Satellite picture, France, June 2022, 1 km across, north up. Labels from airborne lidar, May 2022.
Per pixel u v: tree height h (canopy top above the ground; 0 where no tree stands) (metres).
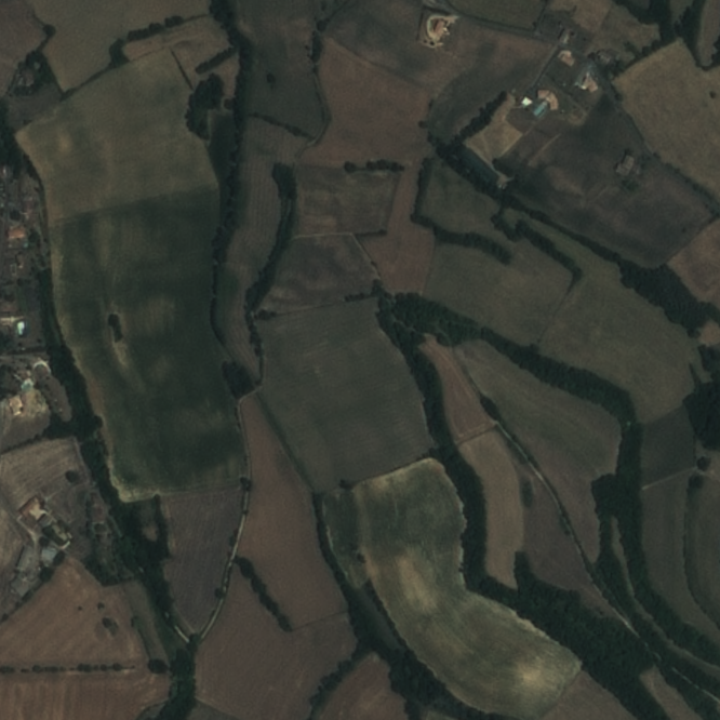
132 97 0
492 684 0
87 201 0
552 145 0
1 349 13
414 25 0
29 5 0
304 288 0
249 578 11
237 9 0
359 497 0
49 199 0
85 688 0
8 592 0
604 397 15
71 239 0
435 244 0
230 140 0
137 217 0
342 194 0
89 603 0
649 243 0
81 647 0
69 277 0
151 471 0
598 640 10
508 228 19
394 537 0
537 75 0
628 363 0
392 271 0
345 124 0
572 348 0
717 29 0
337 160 0
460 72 0
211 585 0
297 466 0
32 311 0
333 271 0
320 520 7
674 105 0
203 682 0
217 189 0
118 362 0
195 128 17
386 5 0
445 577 0
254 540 0
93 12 0
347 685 0
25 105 0
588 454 0
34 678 0
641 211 0
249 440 0
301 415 0
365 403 0
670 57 0
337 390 0
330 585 0
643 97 0
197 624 0
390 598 0
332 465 0
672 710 0
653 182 0
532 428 0
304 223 0
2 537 0
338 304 0
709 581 0
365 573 0
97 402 0
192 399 0
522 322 0
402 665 13
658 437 0
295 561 0
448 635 0
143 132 0
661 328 0
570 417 0
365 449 0
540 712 0
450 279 0
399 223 0
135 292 0
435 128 0
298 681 0
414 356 14
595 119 0
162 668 16
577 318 0
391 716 0
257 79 0
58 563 10
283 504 0
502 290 0
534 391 0
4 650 0
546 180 0
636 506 17
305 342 0
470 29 0
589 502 0
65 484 0
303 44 0
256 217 0
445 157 13
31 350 6
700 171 0
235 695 0
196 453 0
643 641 7
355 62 0
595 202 0
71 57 0
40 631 0
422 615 0
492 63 0
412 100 0
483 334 9
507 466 0
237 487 0
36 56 13
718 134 0
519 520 0
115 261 0
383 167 15
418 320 9
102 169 0
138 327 0
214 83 19
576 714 0
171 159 0
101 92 0
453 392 0
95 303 0
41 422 0
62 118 0
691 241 0
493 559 0
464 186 0
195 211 0
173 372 0
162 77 0
